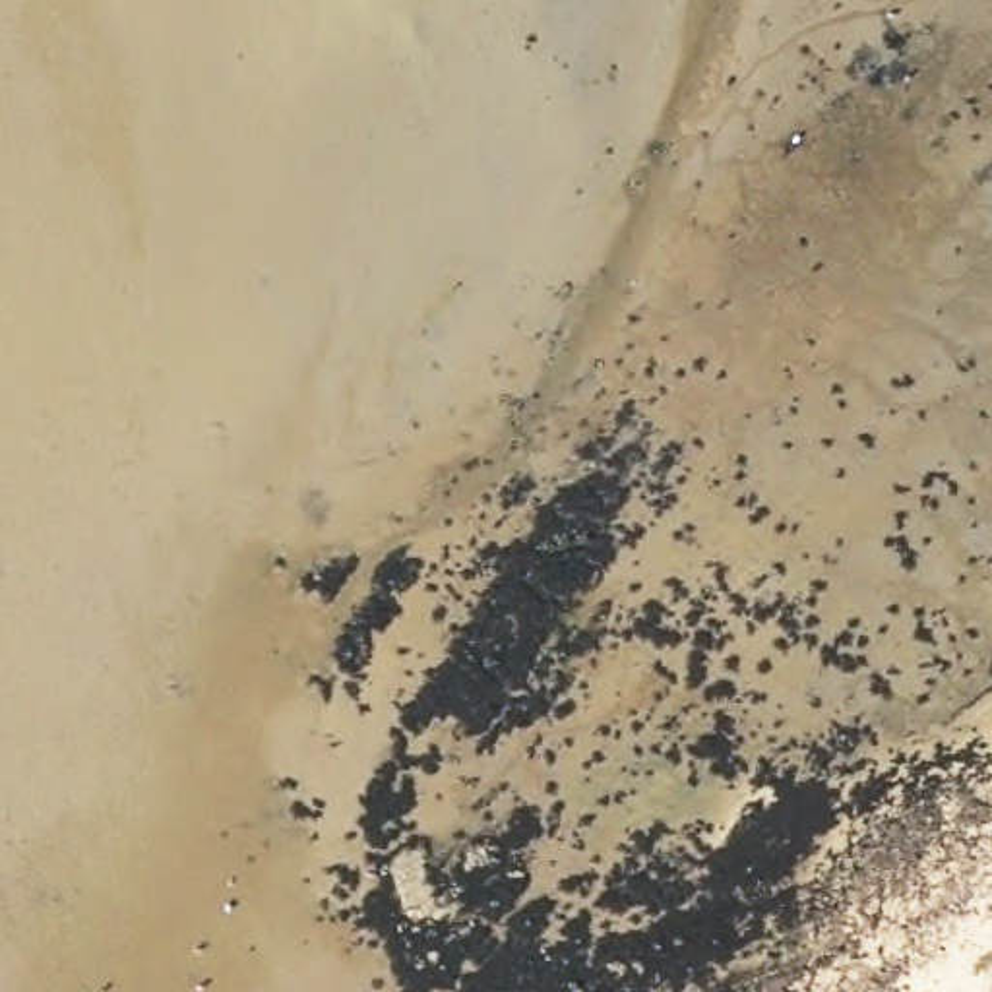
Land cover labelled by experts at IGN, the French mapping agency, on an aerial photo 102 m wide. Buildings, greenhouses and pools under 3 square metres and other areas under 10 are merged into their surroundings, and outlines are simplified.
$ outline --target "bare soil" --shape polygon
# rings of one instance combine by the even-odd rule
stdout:
[[[469,624],[481,593],[496,581],[496,562],[504,546],[527,539],[535,512],[558,488],[577,484],[589,473],[628,484],[628,504],[616,512],[608,531],[616,550],[612,566],[593,589],[581,593],[577,608],[566,612],[566,620],[574,628],[589,628],[597,605],[612,601],[605,624],[628,628],[639,620],[647,601],[659,601],[663,624],[678,632],[678,643],[659,647],[647,639],[601,639],[597,651],[574,659],[574,713],[539,717],[500,736],[492,752],[477,752],[477,736],[469,736],[457,725],[457,717],[430,721],[422,732],[411,736],[407,752],[422,756],[438,748],[442,767],[395,771],[391,791],[415,783],[415,810],[384,822],[384,833],[391,837],[388,845],[368,845],[360,825],[364,791],[391,752],[391,729],[403,705],[422,690],[426,670],[446,663],[453,628]],[[341,628],[353,620],[353,612],[368,601],[376,566],[391,550],[407,550],[411,558],[419,558],[419,577],[411,589],[399,593],[399,616],[372,636],[368,667],[341,670],[333,643]],[[329,566],[345,554],[357,554],[357,574],[341,585],[337,597],[302,589],[306,570]],[[779,651],[779,624],[763,620],[756,632],[748,632],[748,620],[736,616],[729,605],[736,593],[744,593],[748,601],[794,601],[806,597],[814,577],[825,581],[825,593],[818,601],[818,636],[833,639],[837,632],[845,632],[845,620],[853,616],[868,636],[868,647],[849,643],[849,655],[833,647],[825,647],[822,659],[806,647]],[[694,651],[694,636],[705,632],[713,616],[721,620],[729,643],[709,651],[705,678],[690,686],[686,663]],[[744,760],[744,771],[736,779],[713,775],[713,763],[705,756],[694,756],[698,736],[713,732],[717,713],[729,713],[740,736],[736,752]],[[554,946],[577,915],[589,915],[593,938],[647,930],[647,907],[601,907],[608,872],[624,860],[624,845],[632,841],[632,833],[647,829],[651,822],[663,822],[663,853],[682,849],[694,856],[713,856],[732,837],[736,822],[752,802],[775,802],[771,787],[756,787],[760,760],[775,763],[779,771],[794,771],[798,783],[825,783],[829,791],[837,791],[837,825],[818,837],[814,853],[791,876],[771,880],[771,895],[798,895],[798,926],[779,926],[779,918],[767,915],[760,942],[713,965],[713,980],[721,984],[721,992],[992,992],[992,0],[0,0],[0,992],[395,992],[399,980],[391,973],[384,938],[364,926],[364,899],[380,884],[395,880],[395,895],[407,918],[446,918],[465,938],[473,930],[488,930],[496,942],[504,942],[508,922],[535,899],[554,903],[543,930],[543,942]],[[527,891],[519,891],[512,903],[488,899],[477,911],[465,911],[461,884],[473,868],[488,864],[488,849],[477,849],[473,833],[504,833],[512,810],[519,806],[539,810],[539,841],[527,845]]]

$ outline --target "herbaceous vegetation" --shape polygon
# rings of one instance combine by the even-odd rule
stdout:
[[[399,980],[395,992],[721,992],[721,984],[713,980],[713,965],[760,942],[767,915],[779,918],[779,926],[798,926],[798,895],[771,895],[771,880],[791,876],[814,853],[818,837],[837,825],[837,791],[829,791],[825,783],[798,783],[794,771],[779,771],[775,763],[760,760],[756,787],[771,787],[775,802],[752,802],[736,822],[732,837],[713,856],[694,856],[682,849],[663,853],[663,822],[651,822],[647,829],[632,833],[632,841],[624,845],[624,860],[608,872],[601,907],[647,907],[647,930],[593,938],[589,915],[577,915],[554,946],[543,942],[543,930],[554,903],[535,899],[508,922],[504,942],[496,942],[488,930],[473,930],[465,938],[446,918],[407,918],[395,895],[395,880],[380,884],[364,899],[364,926],[384,938],[391,973]]]
[[[302,589],[337,597],[341,585],[357,574],[357,554],[345,554],[329,566],[306,570]]]
[[[477,849],[488,849],[488,864],[473,868],[461,884],[465,911],[477,911],[488,899],[512,903],[519,891],[527,891],[527,845],[539,841],[539,810],[519,806],[512,810],[504,833],[473,833]]]
[[[411,736],[422,732],[430,721],[457,717],[457,725],[469,736],[477,736],[477,752],[492,752],[500,736],[539,717],[574,713],[574,659],[597,651],[601,639],[647,639],[659,647],[678,643],[678,632],[663,624],[659,601],[647,601],[639,620],[628,628],[605,624],[612,601],[597,605],[589,628],[574,628],[566,620],[566,612],[577,608],[581,593],[593,589],[612,566],[616,550],[608,531],[616,512],[628,504],[628,484],[589,473],[577,484],[558,488],[535,512],[527,539],[504,546],[496,562],[496,581],[481,593],[469,624],[453,628],[446,663],[426,670],[422,690],[403,705],[391,729],[391,752],[364,791],[360,825],[368,845],[388,845],[391,837],[384,833],[384,822],[415,810],[415,783],[391,791],[395,771],[442,767],[438,748],[422,756],[407,752]]]
[[[686,663],[690,686],[705,678],[709,651],[729,643],[721,620],[713,616],[705,632],[694,636],[694,651]]]
[[[744,760],[736,752],[740,736],[729,713],[717,713],[713,732],[698,736],[694,756],[705,756],[713,763],[713,775],[736,779],[744,771]]]
[[[748,601],[744,593],[736,593],[729,605],[736,616],[748,620],[748,632],[756,632],[763,620],[779,624],[779,651],[806,647],[822,659],[825,647],[833,647],[849,655],[849,643],[868,647],[868,636],[853,616],[845,620],[845,632],[837,632],[833,639],[818,636],[818,601],[825,593],[825,581],[814,577],[806,597],[794,601]]]
[[[376,566],[368,601],[353,612],[353,620],[341,628],[333,643],[341,670],[368,667],[372,636],[399,616],[399,593],[411,589],[419,577],[419,558],[411,558],[407,550],[391,550]]]

